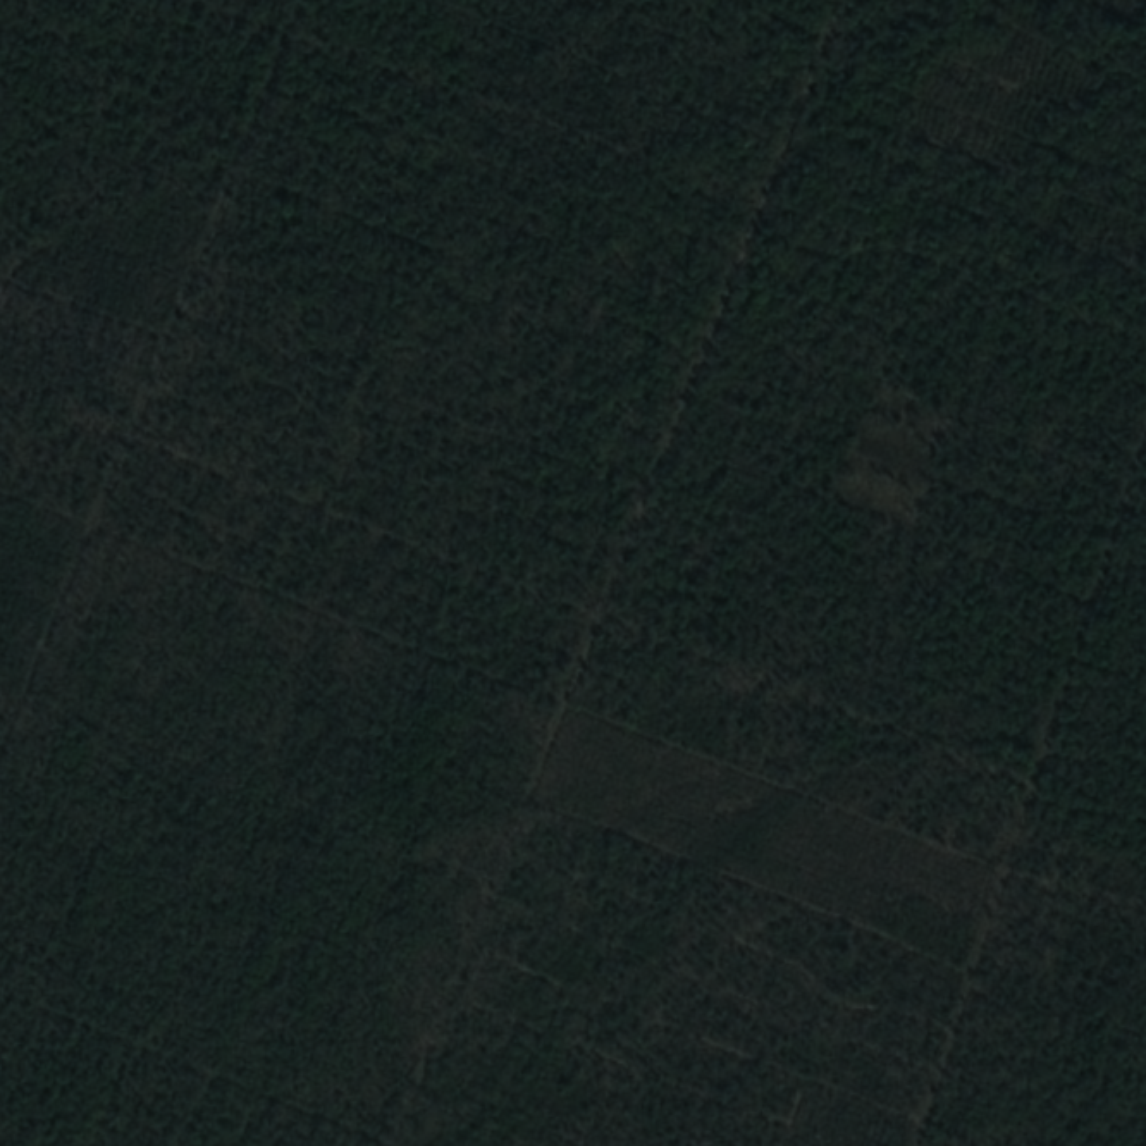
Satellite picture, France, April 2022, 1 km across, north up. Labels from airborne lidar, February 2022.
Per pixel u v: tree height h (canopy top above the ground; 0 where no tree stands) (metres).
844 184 23
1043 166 15
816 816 6
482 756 13
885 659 18
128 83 17
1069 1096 15
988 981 14
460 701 18
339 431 20
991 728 17
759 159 21
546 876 20
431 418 11
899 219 18
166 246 9
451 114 19
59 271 9
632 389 22
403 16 19
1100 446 15
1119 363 19
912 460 0
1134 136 19
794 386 16
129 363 7
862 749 9
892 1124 11
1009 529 12
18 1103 14
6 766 12
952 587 19
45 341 9
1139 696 18
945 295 20
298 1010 16
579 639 15
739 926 18
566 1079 14
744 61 18
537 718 15
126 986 14
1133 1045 11
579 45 16
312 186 19
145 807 15
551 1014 18
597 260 22
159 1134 12
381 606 17
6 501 11
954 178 18
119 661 15
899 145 16
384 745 13
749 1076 17
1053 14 25
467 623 18
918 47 19
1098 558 21
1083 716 17
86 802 13
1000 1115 18
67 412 12
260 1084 15
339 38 18
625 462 13
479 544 21
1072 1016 18
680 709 10
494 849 12
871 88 22
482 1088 18
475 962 19
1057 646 13
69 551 8
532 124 16
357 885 20
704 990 13
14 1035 17
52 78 15
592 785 7
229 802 14
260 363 14
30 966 13
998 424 16
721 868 7
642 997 17
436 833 13
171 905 16
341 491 17
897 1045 14
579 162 14
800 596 7
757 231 17
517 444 14
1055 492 18
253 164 19
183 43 18
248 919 16
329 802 12
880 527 18
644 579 20
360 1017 15
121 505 16
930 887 6
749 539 15
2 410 14
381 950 17
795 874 7
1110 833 18
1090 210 23
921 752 18
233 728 16
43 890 12
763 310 15
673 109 18
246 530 16
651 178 21
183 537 15
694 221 21
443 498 17
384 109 20
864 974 13
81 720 15
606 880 18
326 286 20
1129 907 15
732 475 13
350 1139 17
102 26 19
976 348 23
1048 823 13
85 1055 15
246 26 18
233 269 15
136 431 13
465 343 20
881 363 20
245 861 15
